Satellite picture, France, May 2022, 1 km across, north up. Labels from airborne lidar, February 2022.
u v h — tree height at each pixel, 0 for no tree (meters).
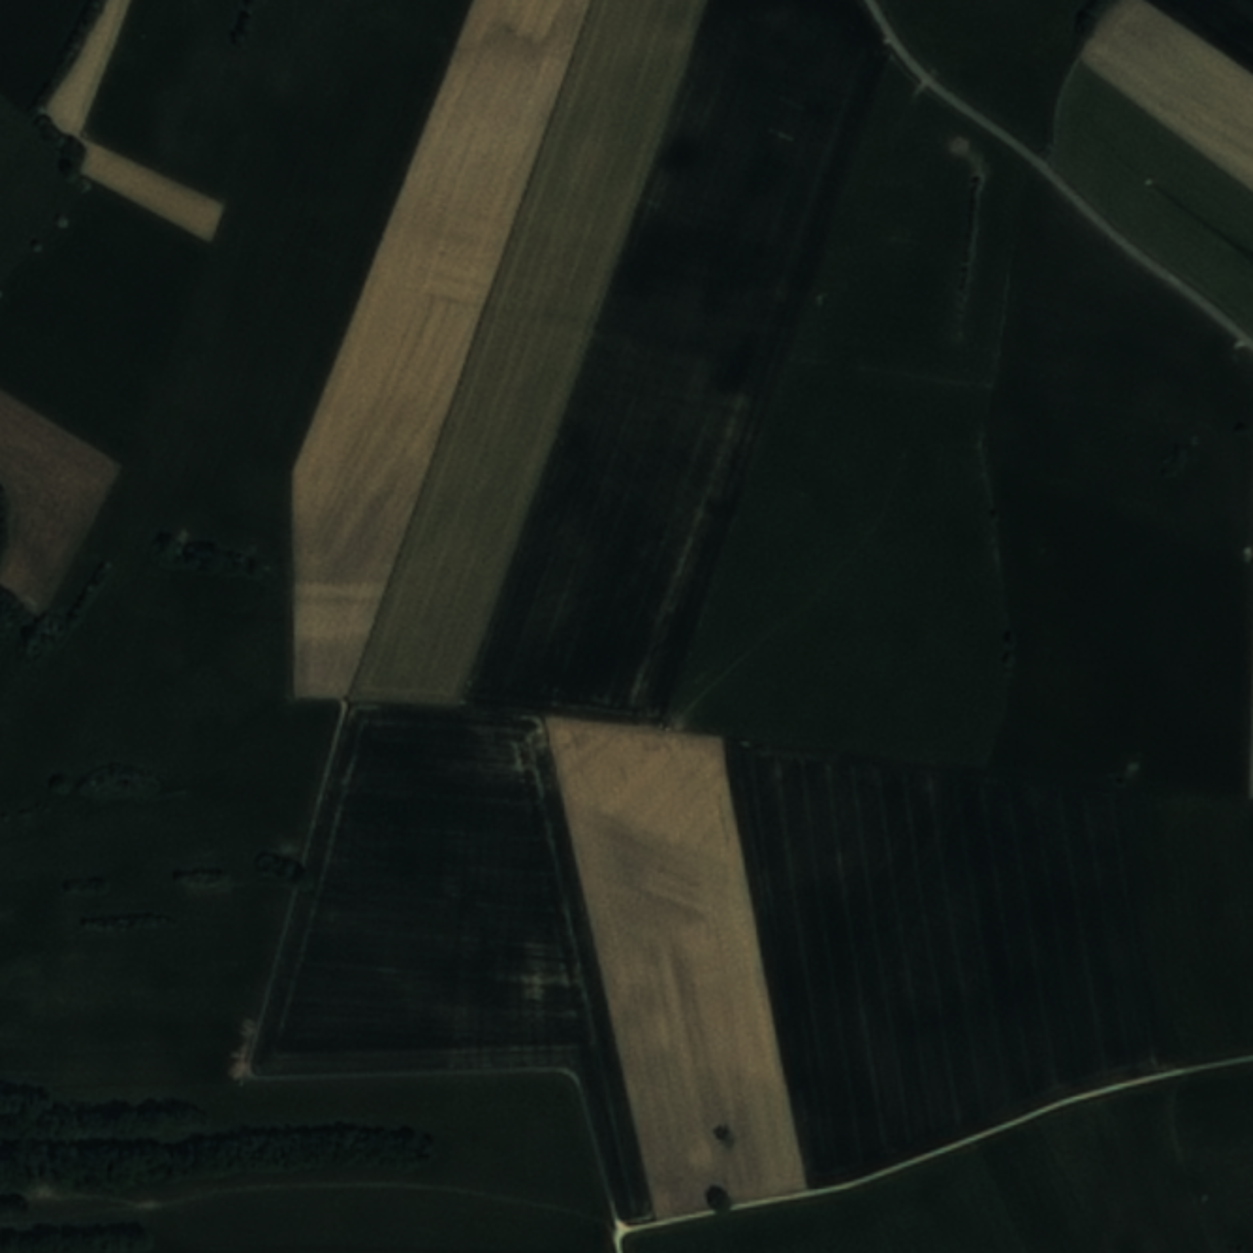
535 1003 0
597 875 0
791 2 0
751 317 0
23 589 0
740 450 0
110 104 0
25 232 0
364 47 0
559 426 0
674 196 0
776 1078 0
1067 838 0
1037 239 0
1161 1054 0
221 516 0
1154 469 0
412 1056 0
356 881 0
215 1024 0
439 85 0
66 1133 18
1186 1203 0
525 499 0
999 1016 0
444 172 0
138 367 0
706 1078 0
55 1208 0
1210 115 0
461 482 0
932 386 0
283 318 0
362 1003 0
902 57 0
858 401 0
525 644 0
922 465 0
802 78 0
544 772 0
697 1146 0
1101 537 0
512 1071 0
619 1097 0
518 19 0
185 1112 18
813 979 0
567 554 0
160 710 0
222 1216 0
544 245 0
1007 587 0
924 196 0
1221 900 0
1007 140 0
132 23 0
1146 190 0
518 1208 0
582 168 0
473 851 0
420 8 0
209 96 0
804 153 0
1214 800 0
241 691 0
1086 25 12
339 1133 12
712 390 0
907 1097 0
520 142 0
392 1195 0
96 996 0
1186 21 0
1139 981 0
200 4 0
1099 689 0
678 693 0
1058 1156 0
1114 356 0
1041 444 0
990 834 0
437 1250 0
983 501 0
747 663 0
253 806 0
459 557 0
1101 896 0
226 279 0
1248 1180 0
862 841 0
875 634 0
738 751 0
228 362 0
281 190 0
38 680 0
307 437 0
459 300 0
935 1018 0
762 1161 0
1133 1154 0
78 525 0
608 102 0
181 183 0
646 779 0
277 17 0
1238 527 0
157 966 0
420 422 0
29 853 0
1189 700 0
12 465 0
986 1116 0
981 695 0
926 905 0
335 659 0
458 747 0
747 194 0
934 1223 0
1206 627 0
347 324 0
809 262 0
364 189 0
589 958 0
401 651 0
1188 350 0
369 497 0
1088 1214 0
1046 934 0
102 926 7
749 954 0
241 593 0
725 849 0
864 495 0
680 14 0
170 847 0
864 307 0
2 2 0
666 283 0
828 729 0
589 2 0
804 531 0
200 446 0
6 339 0
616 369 0
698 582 0
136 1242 19
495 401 0
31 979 0
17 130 0
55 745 0
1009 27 0
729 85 0
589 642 0
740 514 0
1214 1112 0
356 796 0
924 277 0
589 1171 0
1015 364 0
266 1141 13
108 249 0
